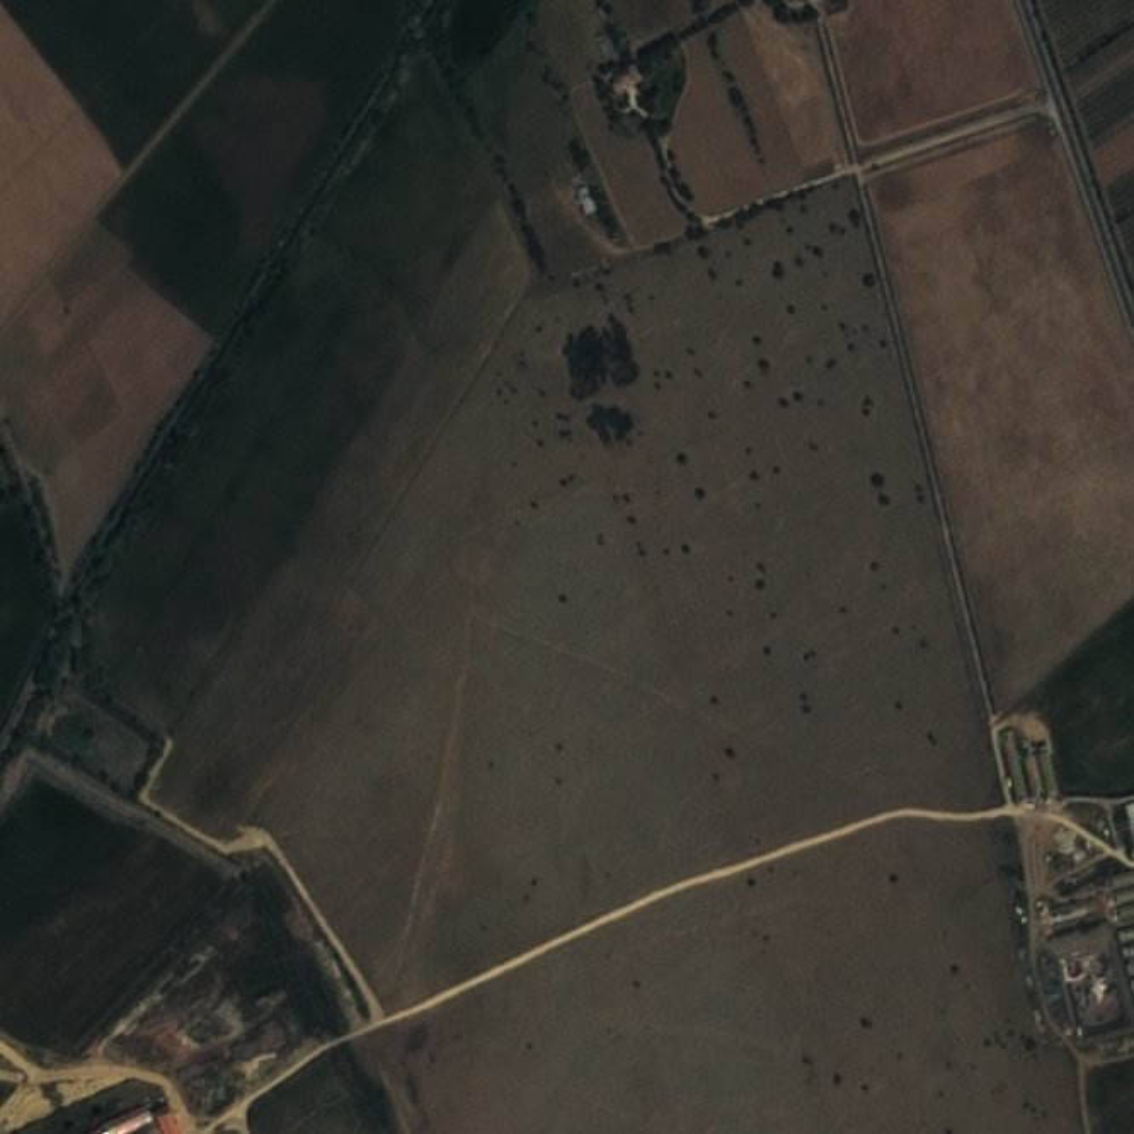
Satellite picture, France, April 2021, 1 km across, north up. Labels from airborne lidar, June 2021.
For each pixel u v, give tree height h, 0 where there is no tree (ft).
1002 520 0
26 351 0
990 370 0
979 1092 0
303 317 0
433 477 0
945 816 0
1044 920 0
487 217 0
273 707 0
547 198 0
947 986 0
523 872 0
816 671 0
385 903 0
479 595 0
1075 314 0
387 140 0
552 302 0
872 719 0
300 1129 0
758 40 0
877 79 0
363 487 0
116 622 0
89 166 0
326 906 0
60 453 0
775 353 0
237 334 0
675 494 0
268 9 0
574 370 20
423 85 0
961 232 0
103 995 0
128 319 0
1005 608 0
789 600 0
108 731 0
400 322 0
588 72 0
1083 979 0
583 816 0
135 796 19
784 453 0
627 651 0
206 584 0
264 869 0
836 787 0
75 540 0
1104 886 0
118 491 0
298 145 0
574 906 0
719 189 0
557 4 0
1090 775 0
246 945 0
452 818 0
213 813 0
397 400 0
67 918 0
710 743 0
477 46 0
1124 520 0
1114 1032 0
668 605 0
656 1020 0
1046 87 0
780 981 0
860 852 0
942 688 0
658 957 0
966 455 0
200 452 0
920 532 0
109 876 0
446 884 0
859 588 0
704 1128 0
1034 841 0
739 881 0
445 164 0
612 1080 0
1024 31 0
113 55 0
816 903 0
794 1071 0
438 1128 0
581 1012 0
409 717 0
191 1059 0
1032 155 0
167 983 0
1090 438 0
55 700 47
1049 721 0
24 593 0
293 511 0
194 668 0
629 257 0
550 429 0
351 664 0
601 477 0
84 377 0
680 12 0
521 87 0
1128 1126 0
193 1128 0
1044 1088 0
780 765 0
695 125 0
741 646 0
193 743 0
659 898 0
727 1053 0
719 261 0
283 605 0
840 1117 0
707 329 0
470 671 0
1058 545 0
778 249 0
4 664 0
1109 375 0
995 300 0
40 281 0
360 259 0
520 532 0
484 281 0
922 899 0
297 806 0
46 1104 0
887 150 0
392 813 0
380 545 0
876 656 0
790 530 0
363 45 0
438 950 0
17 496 47
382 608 0
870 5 0
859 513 0
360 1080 20
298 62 0
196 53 0
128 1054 0
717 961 0
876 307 0
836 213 0
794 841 0
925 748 0
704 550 0
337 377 0
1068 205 0
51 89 0
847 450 0
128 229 0
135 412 0
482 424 0
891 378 0
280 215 0
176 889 0
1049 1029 0
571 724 0
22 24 0
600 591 0
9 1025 0
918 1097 0
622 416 18
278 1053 0
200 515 0
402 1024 0
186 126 0
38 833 0
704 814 0
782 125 0
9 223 0
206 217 0
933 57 0
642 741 0
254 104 0
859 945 0
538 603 0
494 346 0
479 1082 0
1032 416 0
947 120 0
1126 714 0
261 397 0
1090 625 0
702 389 0
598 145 0
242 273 0
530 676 0
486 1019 0
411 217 0
